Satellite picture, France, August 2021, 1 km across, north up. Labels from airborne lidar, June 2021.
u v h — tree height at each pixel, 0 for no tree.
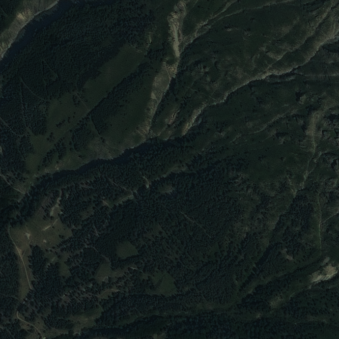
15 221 13
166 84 0
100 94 0
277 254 23
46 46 15
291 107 0
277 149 0
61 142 11
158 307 17
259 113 0
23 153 15
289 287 7
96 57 10
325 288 6
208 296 21
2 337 19
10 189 19
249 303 9
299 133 0
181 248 21
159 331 11
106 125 12
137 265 21
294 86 0
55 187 23
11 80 13
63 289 15
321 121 0
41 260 13
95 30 6
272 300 0
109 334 20
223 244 18
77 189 17
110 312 20
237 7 0
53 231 0
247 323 7
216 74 0
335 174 0
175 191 0
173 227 21
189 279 27
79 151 17
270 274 21
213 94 0
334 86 0
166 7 0
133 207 17
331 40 0
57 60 25
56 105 0
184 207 28
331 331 0
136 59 0
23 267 0
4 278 11
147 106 0
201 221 23
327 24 0
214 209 21
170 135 0
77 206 15
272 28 0
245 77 0
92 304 17
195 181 27
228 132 0
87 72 7
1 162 20
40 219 0
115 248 14
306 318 7
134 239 18
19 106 17
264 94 0
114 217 18
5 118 16
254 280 21
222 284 25
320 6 0
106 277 0
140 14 7
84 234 16
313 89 0
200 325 8
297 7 0
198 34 0
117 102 8
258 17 0
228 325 7
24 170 18
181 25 0
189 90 0
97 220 16
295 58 0
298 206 7
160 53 19
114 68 0
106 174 26
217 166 20
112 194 21
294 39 0
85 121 9
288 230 12
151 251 29
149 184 0
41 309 17
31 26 0
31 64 13
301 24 0
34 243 0
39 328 0
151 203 31
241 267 25
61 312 18
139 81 12
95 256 16
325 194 9
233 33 0
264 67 0
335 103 0
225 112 0
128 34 9
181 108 7
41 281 17
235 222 10
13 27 0
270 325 9
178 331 17
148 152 13
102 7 17
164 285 0
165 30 0
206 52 0
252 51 0
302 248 12
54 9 0
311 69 0
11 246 22
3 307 23
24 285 0
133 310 27
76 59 12
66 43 18
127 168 31
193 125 0
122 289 27
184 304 21
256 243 19
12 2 25
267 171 0
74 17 8
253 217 7
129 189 31
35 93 11
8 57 0
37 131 16
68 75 25
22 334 12
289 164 0
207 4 0
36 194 8
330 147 0
